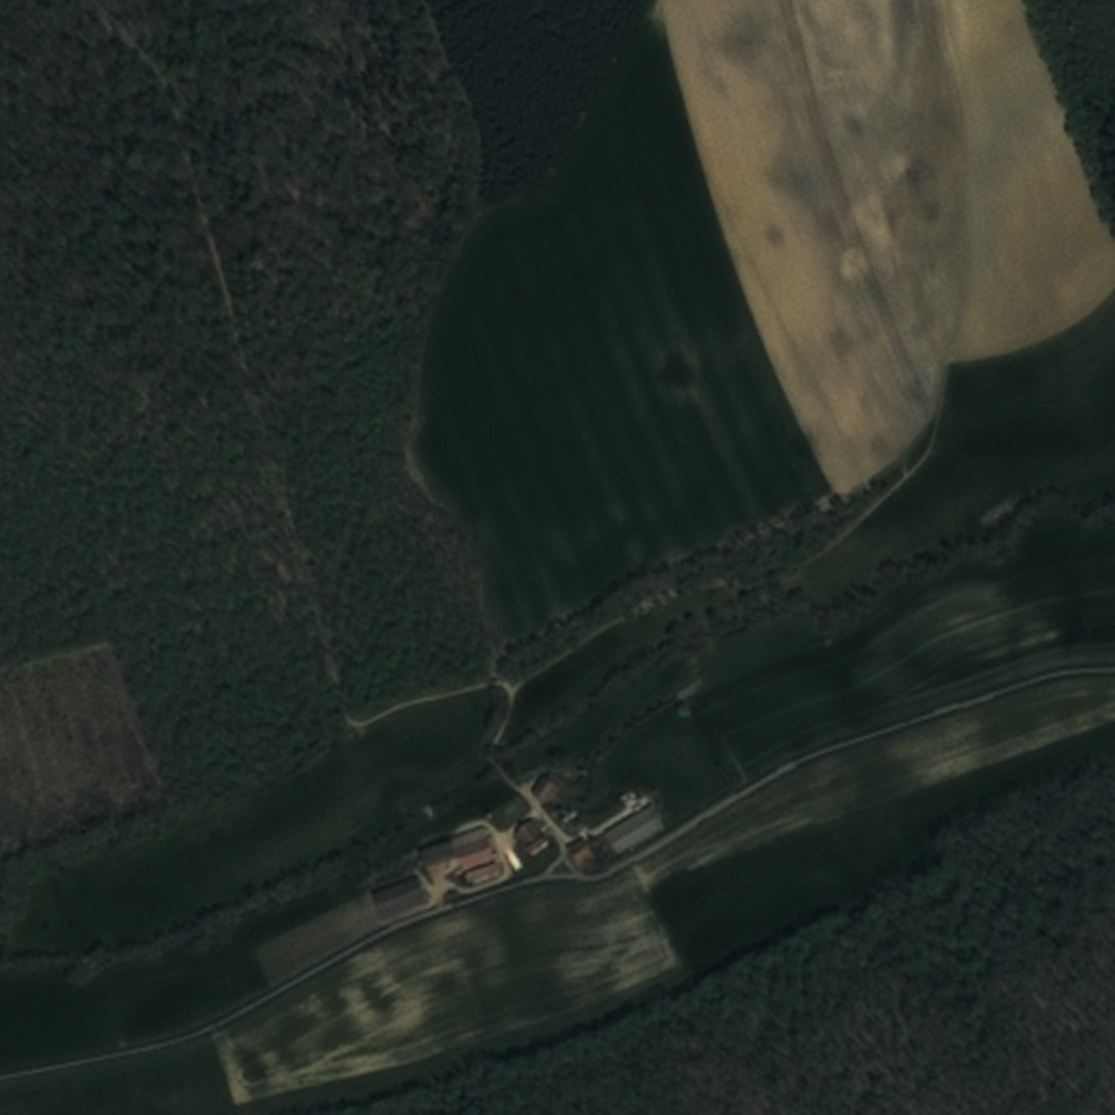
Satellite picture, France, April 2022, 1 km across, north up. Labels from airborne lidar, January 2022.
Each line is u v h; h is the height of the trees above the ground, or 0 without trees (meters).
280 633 22
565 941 0
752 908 0
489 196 12
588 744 0
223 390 26
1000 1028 27
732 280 0
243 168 22
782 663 0
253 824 0
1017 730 0
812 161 0
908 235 0
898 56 0
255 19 22
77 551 24
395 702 14
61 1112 0
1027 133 0
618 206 0
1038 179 0
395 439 22
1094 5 15
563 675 0
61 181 29
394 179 21
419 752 0
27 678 0
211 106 24
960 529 0
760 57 0
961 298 0
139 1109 0
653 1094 25
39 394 24
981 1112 26
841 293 0
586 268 0
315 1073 0
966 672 0
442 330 0
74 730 0
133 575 23
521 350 0
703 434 0
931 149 0
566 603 0
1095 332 0
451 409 0
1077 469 0
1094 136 17
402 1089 0
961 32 0
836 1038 24
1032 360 0
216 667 23
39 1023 0
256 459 24
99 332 26
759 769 0
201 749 22
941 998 26
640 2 11
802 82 0
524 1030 0
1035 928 30
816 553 20
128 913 0
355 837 0
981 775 0
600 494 0
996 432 0
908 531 0
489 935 0
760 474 0
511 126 13
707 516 0
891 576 18
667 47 0
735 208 0
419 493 21
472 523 0
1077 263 0
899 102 0
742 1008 24
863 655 0
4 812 0
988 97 0
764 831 0
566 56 13
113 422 27
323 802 0
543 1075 25
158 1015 0
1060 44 13
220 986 0
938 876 25
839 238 0
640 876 0
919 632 0
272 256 25
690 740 0
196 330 26
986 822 20
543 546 0
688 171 0
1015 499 0
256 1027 0
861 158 0
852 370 0
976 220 0
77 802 0
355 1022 0
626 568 0
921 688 0
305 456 24
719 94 0
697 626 19
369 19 23
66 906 0
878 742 0
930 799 0
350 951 0
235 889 0
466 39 14
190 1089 0
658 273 0
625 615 24
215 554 24
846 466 0
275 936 0
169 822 22
